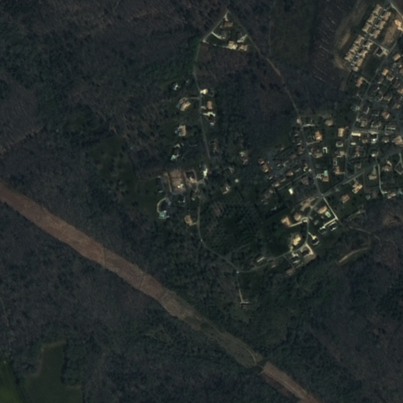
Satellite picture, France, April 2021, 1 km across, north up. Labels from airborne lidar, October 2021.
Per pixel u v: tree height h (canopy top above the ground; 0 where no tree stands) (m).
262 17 25
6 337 13
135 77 15
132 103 14
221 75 13
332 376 10
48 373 0
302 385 17
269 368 0
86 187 22
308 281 20
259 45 13
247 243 7
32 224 10
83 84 13
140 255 22
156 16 8
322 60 0
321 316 17
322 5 0
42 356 6
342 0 0
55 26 13
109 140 0
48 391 0
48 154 16
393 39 0
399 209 20
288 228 0
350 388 13
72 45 12
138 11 11
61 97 17
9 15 21
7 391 0
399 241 14
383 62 0
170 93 9
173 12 9
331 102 19
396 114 0
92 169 22
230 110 16
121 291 13
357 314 23
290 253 0
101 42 13
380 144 13
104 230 24
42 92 19
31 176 14
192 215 6
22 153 14
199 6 6
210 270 14
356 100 13
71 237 0
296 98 12
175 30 11
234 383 18
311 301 22
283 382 0
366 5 0
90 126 15
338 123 0
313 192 17
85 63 17
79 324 15
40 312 14
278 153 8
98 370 21
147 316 11
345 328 17
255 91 12
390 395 14
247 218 12
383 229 9
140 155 14
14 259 17
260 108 10
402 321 14
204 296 18
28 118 15
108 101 13
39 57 16
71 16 17
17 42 14
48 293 13
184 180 0
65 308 20
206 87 7
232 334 9
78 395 0
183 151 16
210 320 9
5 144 17
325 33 0
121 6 15
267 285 9
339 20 0
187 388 12
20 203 0
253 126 17
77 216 18
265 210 7
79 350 22
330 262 18
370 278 23
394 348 11
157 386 21
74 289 21
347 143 0
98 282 22
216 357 7
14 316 15
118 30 14
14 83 13
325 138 8
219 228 11
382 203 14
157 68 17
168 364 21
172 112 0
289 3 17
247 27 12
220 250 7
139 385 13
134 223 7
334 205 8
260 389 22
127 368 17
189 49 10
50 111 20
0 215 14
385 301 14
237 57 8
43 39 18
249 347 7
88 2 14
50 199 17
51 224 0
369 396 15
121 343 17
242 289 10
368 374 15
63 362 0
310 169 0
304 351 16
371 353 18
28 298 16
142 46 15
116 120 14
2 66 29
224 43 0
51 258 19
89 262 14
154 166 26
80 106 15
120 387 20
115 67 19
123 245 21
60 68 24
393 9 0
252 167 13
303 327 16
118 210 20
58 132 20
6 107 12
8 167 13
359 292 25
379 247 13
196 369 23
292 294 21
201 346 9
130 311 13
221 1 16
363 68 0
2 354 14
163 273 15
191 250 12
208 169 0
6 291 16
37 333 16
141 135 14
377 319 8
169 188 12
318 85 16
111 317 26
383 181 9
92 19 13
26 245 19
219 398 25
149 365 16
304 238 10
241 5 14
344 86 0
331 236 0
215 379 13
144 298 12
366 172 0
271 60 13
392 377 15
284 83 16
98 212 19
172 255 12
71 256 20
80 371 22
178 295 13
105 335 21
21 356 21
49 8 25
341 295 19
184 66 18
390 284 14
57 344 19
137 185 0
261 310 9
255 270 0
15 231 18
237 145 11
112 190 10
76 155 25
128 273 0
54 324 19
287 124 15
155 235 18
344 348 15
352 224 15
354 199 6
